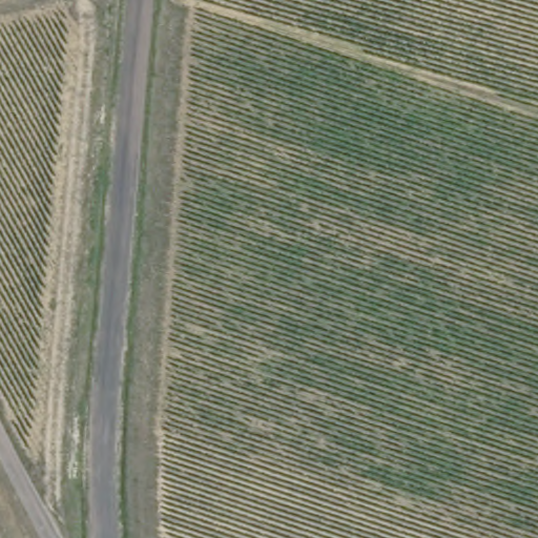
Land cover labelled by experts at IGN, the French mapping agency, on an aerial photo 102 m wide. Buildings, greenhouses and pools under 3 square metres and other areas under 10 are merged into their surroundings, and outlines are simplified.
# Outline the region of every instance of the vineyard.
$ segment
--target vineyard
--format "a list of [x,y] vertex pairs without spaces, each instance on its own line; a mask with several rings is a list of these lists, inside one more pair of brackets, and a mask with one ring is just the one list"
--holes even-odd
[[38,496],[42,498],[48,513],[53,513],[53,502],[61,498],[61,437],[65,414],[69,334],[74,322],[74,273],[78,263],[78,244],[82,227],[82,172],[88,149],[88,111],[97,48],[97,21],[92,8],[90,13],[78,11],[78,21],[65,19],[63,11],[57,11],[53,19],[38,17],[36,21],[27,19],[17,21],[13,25],[0,25],[0,425],[15,454],[25,467]]
[[164,277],[160,387],[153,427],[158,446],[156,500],[160,538],[538,538],[538,0],[174,0],[177,4],[187,6],[187,19],[181,50],[183,61],[177,111],[177,143],[172,158],[174,174],[170,200],[170,237]]

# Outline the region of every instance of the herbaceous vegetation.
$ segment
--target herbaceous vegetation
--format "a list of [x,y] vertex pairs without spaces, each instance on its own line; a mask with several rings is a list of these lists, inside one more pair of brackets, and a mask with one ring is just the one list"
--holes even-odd
[[130,296],[126,313],[128,347],[122,380],[122,538],[160,538],[156,500],[158,446],[153,427],[160,387],[164,277],[170,237],[170,200],[174,174],[172,158],[177,143],[177,111],[183,61],[181,50],[187,19],[187,6],[177,4],[174,0],[153,0],[137,185],[137,212],[132,233]]
[[82,172],[82,227],[78,244],[78,263],[74,273],[74,322],[69,334],[65,414],[61,437],[61,498],[53,502],[53,513],[55,523],[59,525],[65,538],[88,538],[92,420],[90,389],[97,359],[103,254],[107,242],[107,195],[113,170],[116,116],[120,103],[128,0],[0,0],[0,25],[13,25],[17,21],[27,19],[36,21],[38,17],[53,19],[57,11],[63,11],[65,19],[78,21],[78,11],[90,13],[92,8],[97,21],[97,48],[88,111],[88,149]]
[[0,464],[0,538],[38,538],[38,532],[32,525],[25,506],[17,498],[8,475]]

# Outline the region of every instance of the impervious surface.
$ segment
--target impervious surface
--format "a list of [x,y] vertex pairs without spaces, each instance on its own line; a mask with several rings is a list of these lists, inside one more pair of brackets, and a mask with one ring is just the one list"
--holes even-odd
[[126,313],[130,296],[132,233],[137,212],[137,185],[153,0],[128,0],[120,103],[116,116],[113,170],[107,195],[107,242],[103,254],[97,359],[90,389],[92,420],[88,538],[122,538],[122,380],[128,347]]
[[38,496],[25,467],[15,454],[0,425],[0,464],[8,475],[17,498],[25,506],[32,525],[38,532],[38,538],[65,538],[59,525],[55,523],[53,513],[48,513],[42,498]]

